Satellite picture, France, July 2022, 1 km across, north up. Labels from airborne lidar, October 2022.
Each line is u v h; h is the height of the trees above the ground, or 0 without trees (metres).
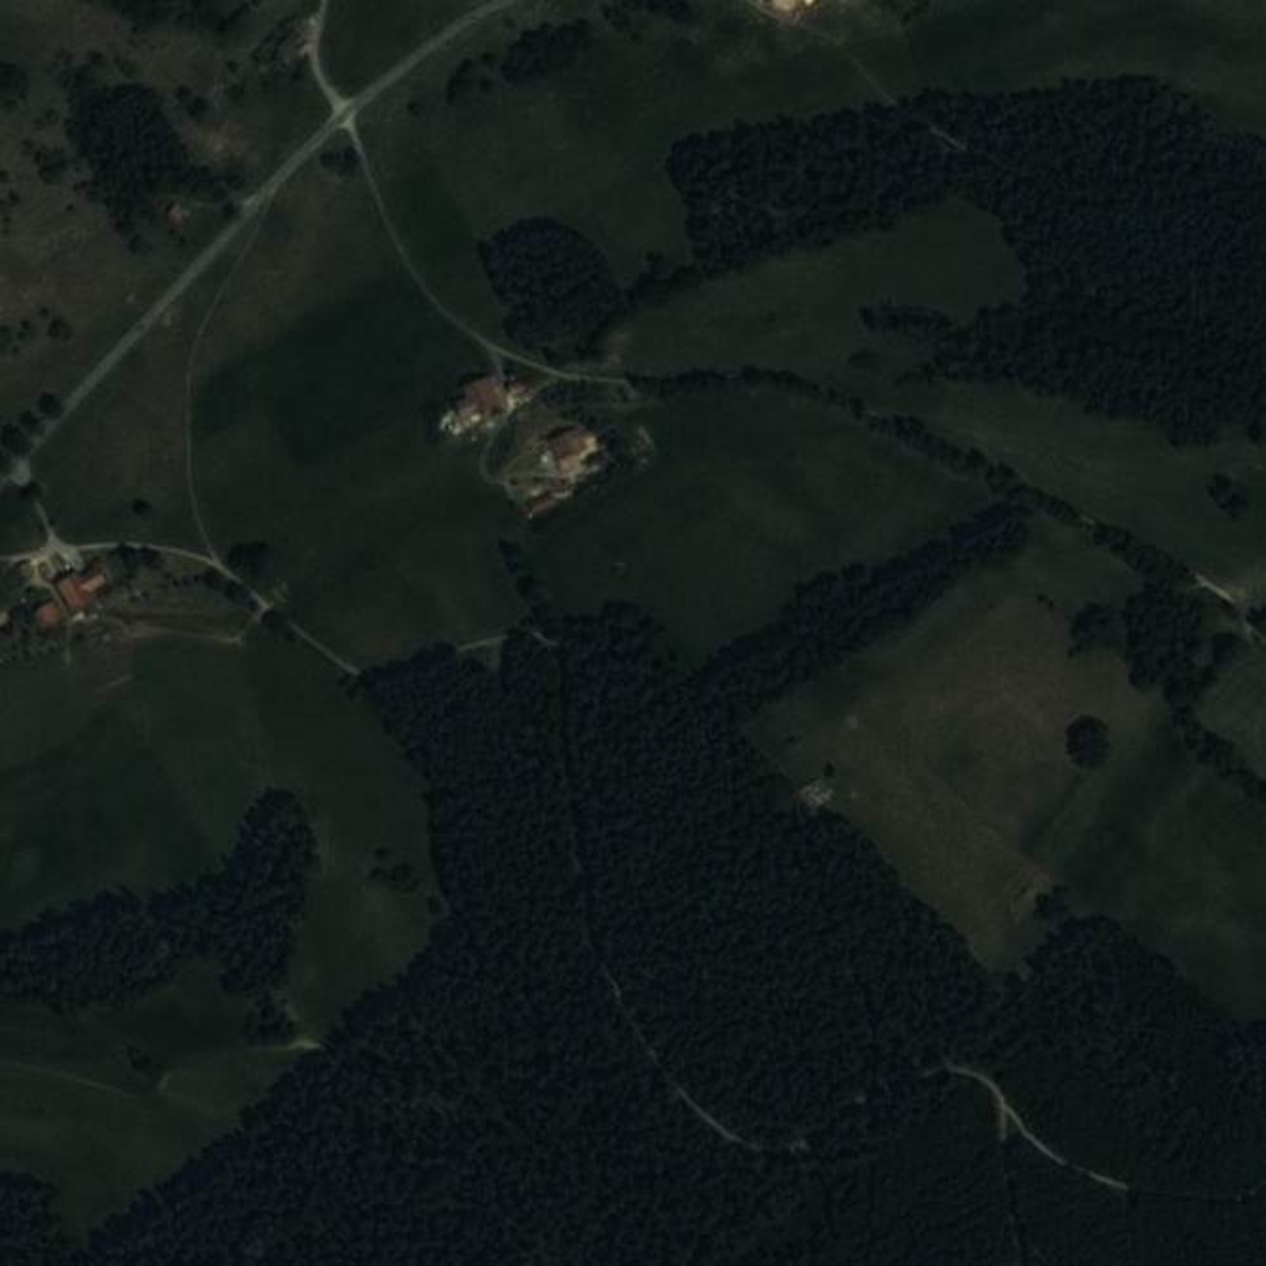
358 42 0
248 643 0
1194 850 0
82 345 0
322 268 0
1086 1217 18
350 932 0
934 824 0
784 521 0
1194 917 0
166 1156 0
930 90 0
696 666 0
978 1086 14
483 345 0
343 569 0
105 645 0
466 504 0
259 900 34
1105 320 12
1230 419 21
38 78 0
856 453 0
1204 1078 19
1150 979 7
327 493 0
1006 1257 21
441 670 25
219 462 0
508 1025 11
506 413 0
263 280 0
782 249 27
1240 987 0
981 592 0
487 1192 28
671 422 0
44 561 0
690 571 0
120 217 8
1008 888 0
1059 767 0
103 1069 0
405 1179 36
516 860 29
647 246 0
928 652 0
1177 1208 20
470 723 28
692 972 28
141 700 0
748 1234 33
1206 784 0
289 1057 0
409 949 0
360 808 0
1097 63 0
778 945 29
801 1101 30
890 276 0
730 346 0
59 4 0
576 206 0
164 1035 0
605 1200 30
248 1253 27
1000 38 0
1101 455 0
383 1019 32
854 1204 13
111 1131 0
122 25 0
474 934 35
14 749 0
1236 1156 13
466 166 0
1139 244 26
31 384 0
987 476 10
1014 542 24
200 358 0
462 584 0
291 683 0
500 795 30
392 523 0
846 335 0
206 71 0
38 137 0
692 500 0
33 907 0
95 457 0
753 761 27
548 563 0
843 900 21
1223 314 23
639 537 0
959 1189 18
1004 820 0
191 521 0
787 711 0
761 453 0
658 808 21
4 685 0
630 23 11
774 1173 29
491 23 0
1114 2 0
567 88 0
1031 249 18
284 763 0
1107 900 0
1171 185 29
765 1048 32
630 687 36
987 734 0
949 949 27
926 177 28
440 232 0
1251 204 21
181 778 0
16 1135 0
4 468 18
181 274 0
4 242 0
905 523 0
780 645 23
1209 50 0
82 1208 0
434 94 0
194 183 13
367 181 0
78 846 0
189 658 0
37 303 0
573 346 0
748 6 0
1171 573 22
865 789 0
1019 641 0
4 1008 0
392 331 0
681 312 0
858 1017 25
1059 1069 14
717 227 29
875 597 19
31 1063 0
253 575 14
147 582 0
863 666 0
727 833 22
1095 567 0
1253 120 0
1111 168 34
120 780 0
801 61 0
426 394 0
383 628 0
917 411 0
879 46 0
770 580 0
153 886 0
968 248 0
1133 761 0
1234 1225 13
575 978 30
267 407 0
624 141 0
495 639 0
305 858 29
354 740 0
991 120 27
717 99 0
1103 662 0
